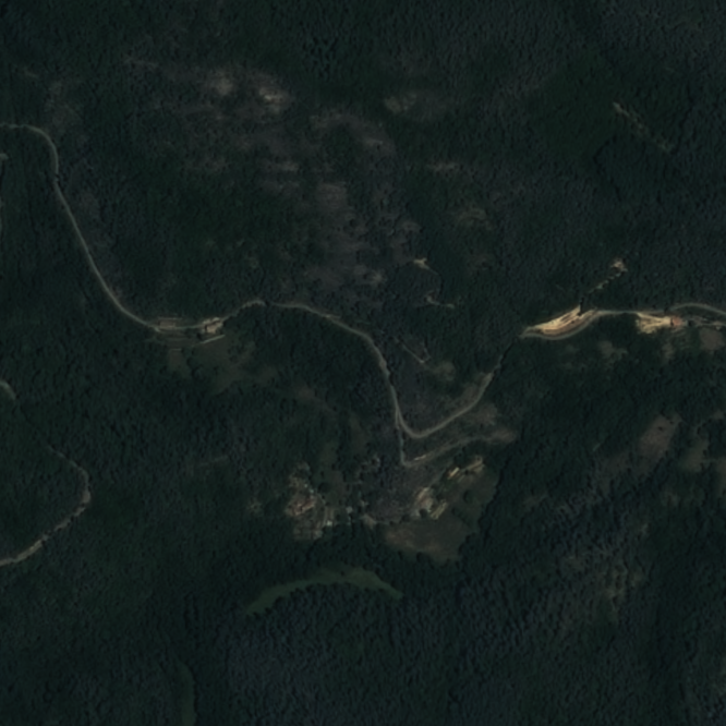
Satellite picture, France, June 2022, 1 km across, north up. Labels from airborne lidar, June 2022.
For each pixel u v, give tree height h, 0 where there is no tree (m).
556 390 8
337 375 21
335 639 22
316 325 15
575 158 20
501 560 19
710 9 18
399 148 7
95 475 11
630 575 9
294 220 9
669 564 15
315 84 12
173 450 25
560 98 17
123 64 11
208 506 16
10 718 26
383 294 13
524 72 18
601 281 8
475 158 13
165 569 17
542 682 19
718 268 19
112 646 21
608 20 17
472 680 19
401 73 6
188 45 6
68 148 9
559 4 16
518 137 23
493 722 24
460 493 0
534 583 10
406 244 10
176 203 11
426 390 6
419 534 0
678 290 19
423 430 6
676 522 12
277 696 16
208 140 9
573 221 13
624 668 24
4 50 13
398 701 19
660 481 19
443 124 12
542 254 16
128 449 25
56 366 15
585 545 13
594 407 25
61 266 25
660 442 0
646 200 19
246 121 6
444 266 21
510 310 17
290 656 17
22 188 21
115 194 12
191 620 26
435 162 8
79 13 21
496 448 6
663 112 18
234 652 18
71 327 24
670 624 22
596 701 16
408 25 26
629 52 25
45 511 17
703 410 14
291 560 27
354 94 12
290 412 17
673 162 27
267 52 12
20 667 34
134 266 12
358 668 21
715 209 17
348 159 7
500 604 17
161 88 12
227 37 10
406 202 11
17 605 10
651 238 11
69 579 15
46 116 7
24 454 13
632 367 14
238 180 11
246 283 6
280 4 21
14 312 22
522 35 21
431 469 9
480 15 23
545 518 10
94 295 8
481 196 8
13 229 15
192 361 18
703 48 14
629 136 10
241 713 18
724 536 17
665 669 17
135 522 18
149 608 17
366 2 24
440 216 18
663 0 16
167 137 12
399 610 11
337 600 22
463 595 30
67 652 19
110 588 10
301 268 11
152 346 9
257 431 11
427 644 25
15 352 30
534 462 22
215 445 12
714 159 20
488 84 19
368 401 8
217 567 21
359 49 19
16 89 19
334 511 0
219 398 21
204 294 8
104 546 16
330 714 16
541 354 12
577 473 15
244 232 6
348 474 15
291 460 8
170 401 12
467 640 16
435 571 21
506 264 19
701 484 16
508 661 14
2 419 16
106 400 25
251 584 31
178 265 12
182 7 7
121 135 13
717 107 13
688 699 15
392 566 21
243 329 17
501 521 24
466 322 14
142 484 12
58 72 12
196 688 17
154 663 24
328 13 22
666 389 26
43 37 23
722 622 19
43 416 20
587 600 12
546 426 27
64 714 6
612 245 18
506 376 23
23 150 12
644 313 0
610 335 10
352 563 20
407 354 7
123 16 18
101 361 18
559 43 18
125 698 19
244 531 11
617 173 23
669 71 9
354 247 0
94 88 10
